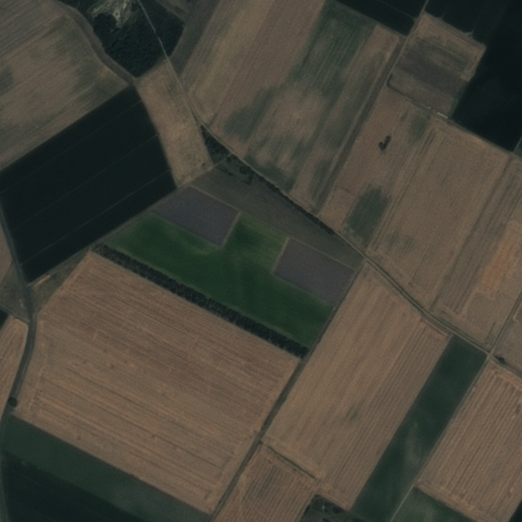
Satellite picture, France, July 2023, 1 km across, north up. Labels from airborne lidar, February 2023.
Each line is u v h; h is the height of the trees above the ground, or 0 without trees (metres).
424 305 0
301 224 0
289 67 0
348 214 0
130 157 0
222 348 0
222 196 0
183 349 0
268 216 0
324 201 0
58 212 0
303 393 0
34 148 0
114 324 0
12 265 0
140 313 0
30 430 0
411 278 0
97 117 0
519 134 0
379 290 0
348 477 0
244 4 0
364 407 0
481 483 0
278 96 0
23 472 0
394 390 0
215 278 0
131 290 0
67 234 0
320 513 0
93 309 0
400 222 0
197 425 0
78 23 0
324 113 0
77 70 0
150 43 6
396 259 0
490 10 0
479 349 0
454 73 0
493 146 0
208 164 0
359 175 0
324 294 0
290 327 0
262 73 0
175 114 0
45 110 0
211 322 0
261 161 0
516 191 0
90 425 0
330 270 0
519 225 0
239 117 0
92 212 0
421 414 0
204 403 0
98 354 0
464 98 0
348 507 0
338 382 0
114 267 0
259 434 0
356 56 0
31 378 0
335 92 0
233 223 0
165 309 0
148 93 0
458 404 0
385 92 0
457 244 0
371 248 0
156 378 0
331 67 0
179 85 0
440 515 0
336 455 0
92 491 0
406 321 0
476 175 0
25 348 0
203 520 0
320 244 0
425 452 0
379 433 0
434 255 0
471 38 0
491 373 0
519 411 0
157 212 0
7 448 0
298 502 0
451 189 0
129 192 0
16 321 0
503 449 0
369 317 0
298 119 0
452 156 0
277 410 0
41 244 0
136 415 0
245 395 0
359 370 0
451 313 0
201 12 0
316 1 0
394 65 0
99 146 0
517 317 0
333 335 0
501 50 0
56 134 0
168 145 0
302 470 0
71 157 0
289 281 0
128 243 0
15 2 0
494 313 0
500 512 0
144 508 0
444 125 0
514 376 0
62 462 0
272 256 0
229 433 0
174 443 0
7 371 0
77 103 0
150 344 0
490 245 0
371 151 0
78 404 0
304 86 0
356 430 0
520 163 0
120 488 0
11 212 0
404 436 0
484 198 0
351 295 0
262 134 0
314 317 0
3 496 0
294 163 0
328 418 0
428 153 0
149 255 0
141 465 0
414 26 0
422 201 0
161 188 0
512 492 0
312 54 0
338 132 0
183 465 0
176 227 0
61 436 0
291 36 0
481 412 0
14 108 0
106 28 15
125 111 0
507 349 0
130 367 0
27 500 0
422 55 0
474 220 0
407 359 0
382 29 0
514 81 0
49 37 0
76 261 0
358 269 0
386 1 0
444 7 0
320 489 0
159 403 0
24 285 0
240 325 8
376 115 0
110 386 0
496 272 0
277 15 0
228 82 0
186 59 0
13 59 0
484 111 0
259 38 0
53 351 0
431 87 0
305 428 0
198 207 0
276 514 0
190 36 0
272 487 0
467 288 0
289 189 0
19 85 0
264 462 0
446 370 0
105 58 0
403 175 0
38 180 0
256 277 0
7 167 0
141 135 0
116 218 0
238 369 0
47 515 0
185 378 0
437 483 0
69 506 0
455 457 0
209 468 0
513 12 0
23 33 0
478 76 0
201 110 0
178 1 0
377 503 0
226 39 0
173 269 0
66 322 0
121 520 0
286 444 0
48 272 0
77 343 0
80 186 0
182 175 0
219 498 0
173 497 0
